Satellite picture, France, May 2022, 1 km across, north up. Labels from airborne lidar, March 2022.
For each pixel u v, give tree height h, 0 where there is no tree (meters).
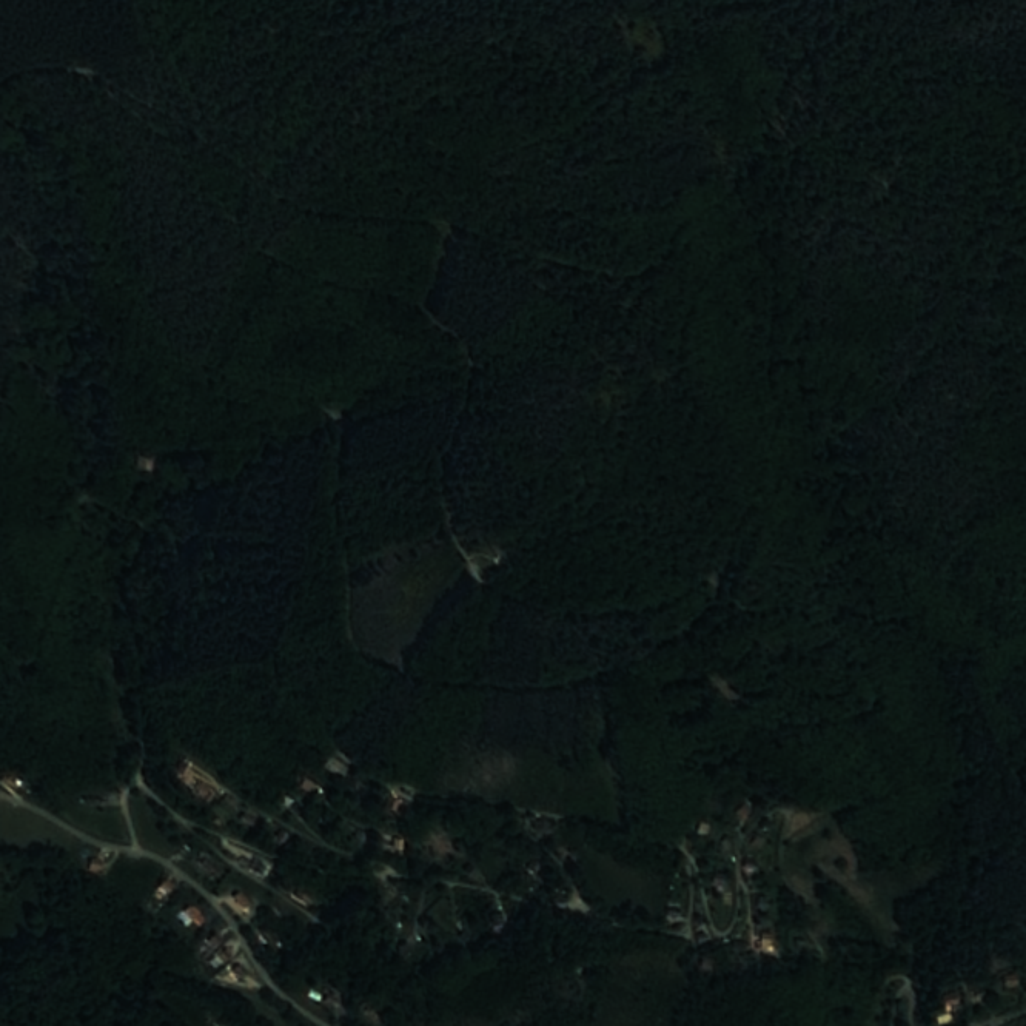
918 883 0
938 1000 13
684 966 13
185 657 28
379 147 19
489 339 18
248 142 23
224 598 23
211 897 0
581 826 19
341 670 18
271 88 23
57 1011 15
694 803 19
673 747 25
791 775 11
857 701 19
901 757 20
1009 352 17
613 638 16
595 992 11
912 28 24
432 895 0
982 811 28
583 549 16
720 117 22
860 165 9
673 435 16
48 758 24
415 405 25
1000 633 17
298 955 22
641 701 24
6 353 18
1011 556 17
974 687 24
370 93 18
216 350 14
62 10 25
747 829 7
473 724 22
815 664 25
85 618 25
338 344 20
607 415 8
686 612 15
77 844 0
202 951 0
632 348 10
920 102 23
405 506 16
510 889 8
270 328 20
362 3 25
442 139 18
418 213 20
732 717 26
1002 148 6
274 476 38
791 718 23
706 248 23
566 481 15
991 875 27
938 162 11
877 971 14
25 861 19
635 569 22
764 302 17
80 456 33
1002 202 7
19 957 22
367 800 17
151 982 8
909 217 10
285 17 18
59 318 25
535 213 10
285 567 33
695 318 20
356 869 18
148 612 18
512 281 27
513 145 10
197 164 13
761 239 26
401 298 15
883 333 24
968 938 22
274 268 23
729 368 21
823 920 0
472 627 19
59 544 20
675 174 12
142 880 0
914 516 16
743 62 26
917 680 19
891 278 21
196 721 18
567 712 22
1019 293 20
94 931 13
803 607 23
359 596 0
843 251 23
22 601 20
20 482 25
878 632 25
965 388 22
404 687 28
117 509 20
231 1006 22
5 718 19
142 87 22
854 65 23
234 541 21
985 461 18
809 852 0
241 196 16
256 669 13
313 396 22
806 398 31
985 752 28
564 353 14
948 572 20
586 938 20
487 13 25
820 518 23
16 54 26
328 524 19
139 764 8
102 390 32
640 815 22
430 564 0
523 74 15
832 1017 25
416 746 20
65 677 24
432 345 20
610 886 0
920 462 22
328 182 16
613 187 10
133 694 18
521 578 17
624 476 13
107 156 17
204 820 7
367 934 18
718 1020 14
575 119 16
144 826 0
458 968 17
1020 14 8
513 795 0
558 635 23
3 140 19
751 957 8
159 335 18
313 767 22
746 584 28
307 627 23
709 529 14
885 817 26
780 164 19
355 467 28
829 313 24
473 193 15
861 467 29
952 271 15
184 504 35
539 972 17
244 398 22
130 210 25
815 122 23
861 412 21
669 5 15
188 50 10
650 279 17
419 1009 12
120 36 28
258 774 24
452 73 14
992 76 10
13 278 33
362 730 31
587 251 17
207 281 26
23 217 31
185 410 24
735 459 12
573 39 23
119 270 24
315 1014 0
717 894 14
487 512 16
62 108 21
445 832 28
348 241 20
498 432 18
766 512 18
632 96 23
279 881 18
